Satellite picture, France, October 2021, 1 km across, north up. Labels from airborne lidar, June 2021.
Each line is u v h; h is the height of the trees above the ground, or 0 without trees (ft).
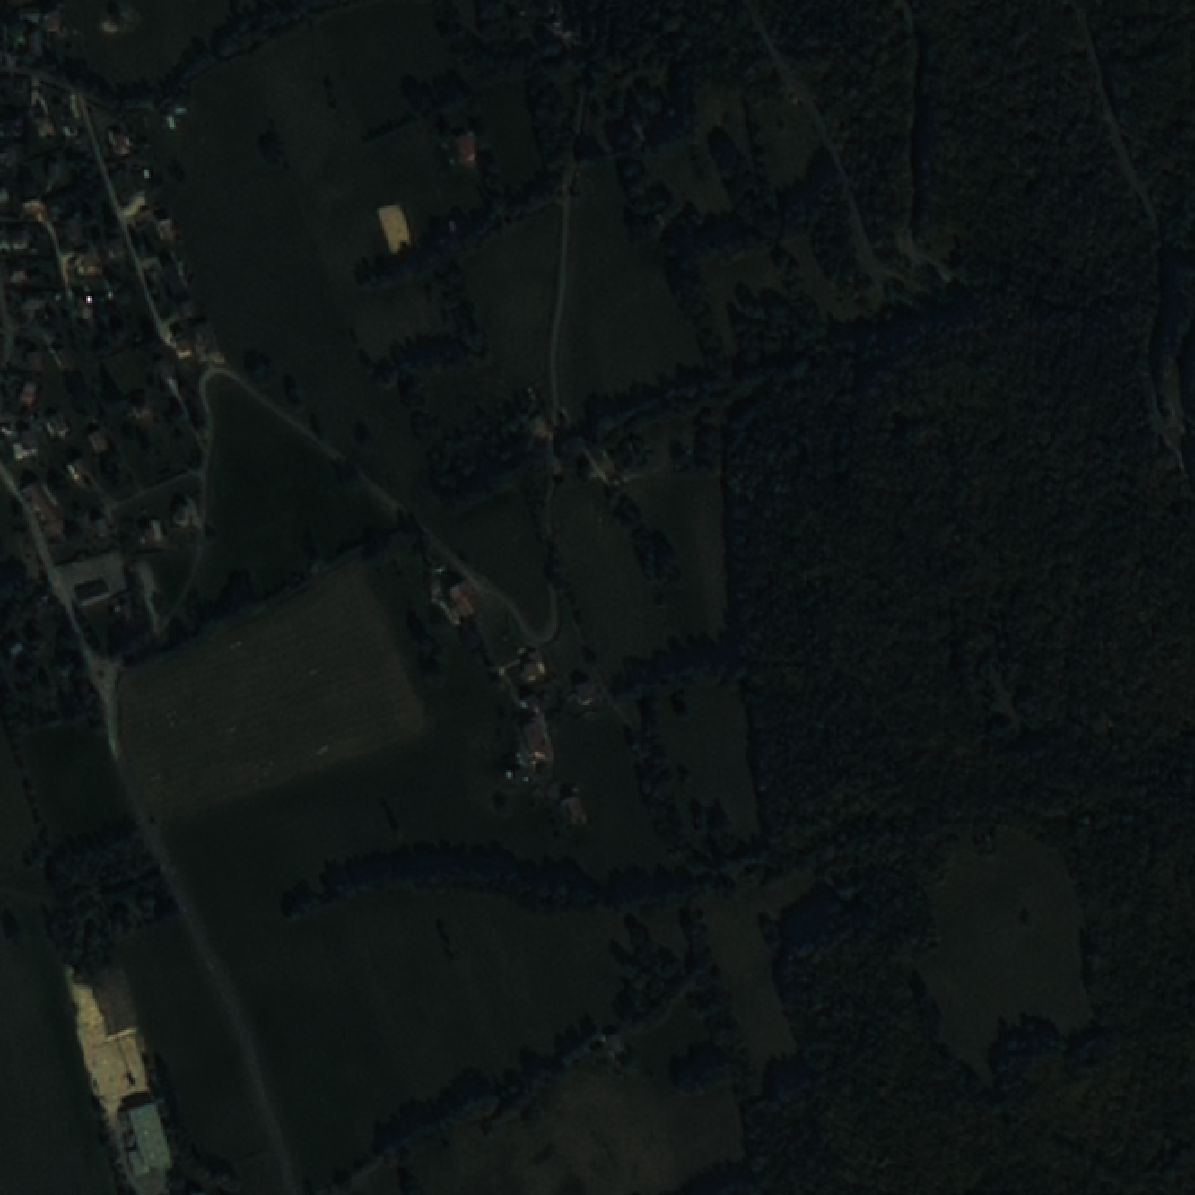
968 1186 75
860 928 73
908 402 57
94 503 0
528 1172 0
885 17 57
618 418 48
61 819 0
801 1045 50
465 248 42
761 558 61
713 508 0
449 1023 0
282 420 0
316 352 0
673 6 65
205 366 0
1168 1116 67
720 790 0
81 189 31
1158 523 75
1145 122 83
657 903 47
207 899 0
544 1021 0
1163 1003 67
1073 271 79
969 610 40
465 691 0
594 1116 0
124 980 0
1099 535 76
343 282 0
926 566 47
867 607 67
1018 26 65
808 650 60
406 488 0
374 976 0
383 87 0
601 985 0
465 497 73
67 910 28
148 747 0
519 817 0
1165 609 78
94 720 32
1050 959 0
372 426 0
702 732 0
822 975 56
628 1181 0
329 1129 0
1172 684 74
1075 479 75
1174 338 65
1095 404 73
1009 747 41
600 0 39
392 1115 0
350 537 0
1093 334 81
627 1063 50
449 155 0
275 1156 0
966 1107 59
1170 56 64
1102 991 42
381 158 0
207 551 0
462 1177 0
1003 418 69
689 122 64
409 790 0
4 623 46
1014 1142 77
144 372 0
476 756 0
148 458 41
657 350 0
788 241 28
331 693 0
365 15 0
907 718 61
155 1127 0
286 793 0
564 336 0
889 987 61
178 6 0
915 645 59
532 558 0
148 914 51
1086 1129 63
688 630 0
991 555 70
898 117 66
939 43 70
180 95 39
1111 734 56
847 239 56
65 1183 0
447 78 0
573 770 0
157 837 0
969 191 55
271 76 0
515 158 0
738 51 56
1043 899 0
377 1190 0
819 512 79
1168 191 50
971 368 62
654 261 0
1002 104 76
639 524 38
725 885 33
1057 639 65
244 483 0
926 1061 52
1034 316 75
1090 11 46
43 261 0
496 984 0
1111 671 64
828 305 0
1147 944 69
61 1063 0
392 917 0
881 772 44
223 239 0
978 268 71
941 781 68
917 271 24
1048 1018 0
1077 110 55
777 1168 53
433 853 0
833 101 75
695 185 0
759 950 0
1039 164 53
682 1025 0
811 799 55
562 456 41
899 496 52
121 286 27
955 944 0
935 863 44
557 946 0
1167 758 66
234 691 0
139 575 0
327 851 0
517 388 0
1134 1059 57
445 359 38
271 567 0
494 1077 0
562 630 0
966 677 42
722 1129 0
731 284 0
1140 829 75
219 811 0
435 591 0
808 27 67
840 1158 64
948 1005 0
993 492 76
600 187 0
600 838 0
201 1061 0
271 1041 0
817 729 53
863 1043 79
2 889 0
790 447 73
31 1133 0
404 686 0
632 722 0
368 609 0
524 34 23
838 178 56
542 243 0
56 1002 0
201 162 0
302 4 38
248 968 0
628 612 0
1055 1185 44
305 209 0
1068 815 40
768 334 40
